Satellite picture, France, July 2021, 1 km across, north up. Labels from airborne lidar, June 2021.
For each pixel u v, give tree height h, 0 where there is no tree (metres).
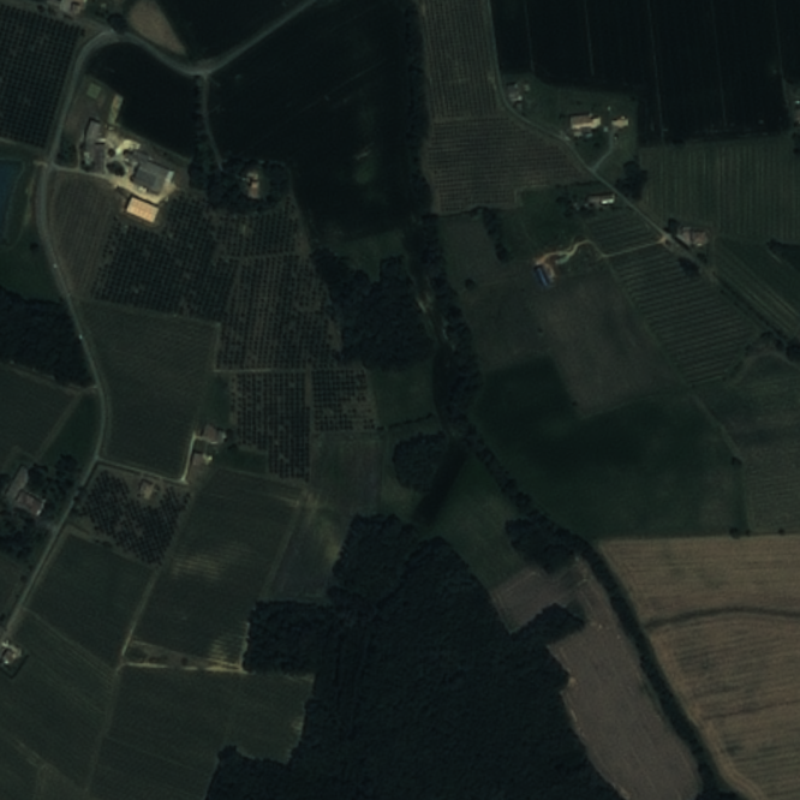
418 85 18
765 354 0
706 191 0
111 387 0
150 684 0
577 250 0
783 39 0
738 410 0
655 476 0
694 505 0
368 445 0
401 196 0
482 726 18
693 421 0
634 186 10
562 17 0
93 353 0
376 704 24
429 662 23
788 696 0
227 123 0
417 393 0
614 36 0
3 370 0
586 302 0
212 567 0
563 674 17
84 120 0
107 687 0
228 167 13
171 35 0
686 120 0
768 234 0
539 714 22
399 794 21
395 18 0
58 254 0
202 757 0
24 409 0
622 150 0
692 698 0
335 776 18
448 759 22
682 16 0
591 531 0
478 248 0
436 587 18
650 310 0
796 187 0
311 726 18
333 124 0
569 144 0
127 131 0
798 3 0
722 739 0
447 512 0
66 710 0
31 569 6
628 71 0
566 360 0
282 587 0
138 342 0
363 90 0
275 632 10
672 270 0
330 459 0
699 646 0
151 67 0
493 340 0
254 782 21
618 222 0
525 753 18
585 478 0
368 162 0
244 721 0
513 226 0
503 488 19
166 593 0
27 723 0
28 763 0
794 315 0
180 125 0
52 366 14
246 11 0
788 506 0
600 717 0
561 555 25
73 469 10
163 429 0
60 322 23
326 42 0
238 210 9
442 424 0
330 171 0
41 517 8
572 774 20
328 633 15
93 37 0
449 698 21
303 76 0
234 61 0
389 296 26
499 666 22
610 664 0
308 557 0
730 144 0
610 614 0
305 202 0
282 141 0
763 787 0
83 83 0
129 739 0
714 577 0
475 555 0
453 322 13
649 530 0
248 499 0
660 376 0
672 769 0
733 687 0
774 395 0
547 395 0
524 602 0
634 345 0
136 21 0
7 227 0
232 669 0
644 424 0
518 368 0
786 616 0
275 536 0
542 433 0
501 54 0
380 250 0
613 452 0
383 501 0
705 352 0
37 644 0
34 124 6
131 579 0
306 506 0
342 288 10
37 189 0
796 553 0
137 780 0
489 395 0
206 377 0
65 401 0
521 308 0
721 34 0
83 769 0
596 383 0
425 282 0
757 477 0
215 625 0
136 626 0
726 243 0
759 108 0
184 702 0
